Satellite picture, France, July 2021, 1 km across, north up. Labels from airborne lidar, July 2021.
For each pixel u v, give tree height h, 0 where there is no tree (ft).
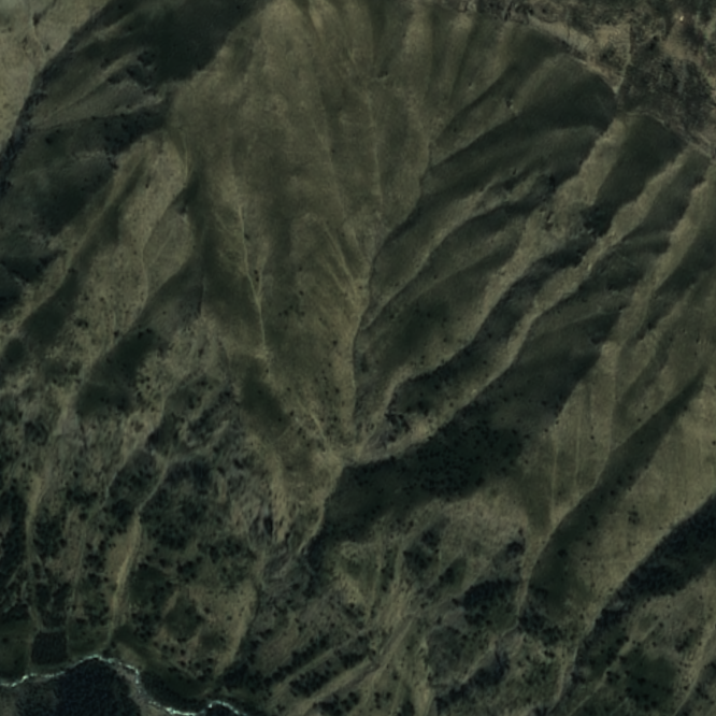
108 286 0
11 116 0
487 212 0
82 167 0
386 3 0
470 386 0
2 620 27
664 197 0
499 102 0
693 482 0
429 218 0
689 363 0
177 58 0
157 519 24
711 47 0
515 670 0
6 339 0
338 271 0
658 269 0
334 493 0
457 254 0
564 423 0
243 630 0
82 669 37
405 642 0
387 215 0
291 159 0
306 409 0
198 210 0
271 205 0
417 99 0
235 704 29
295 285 0
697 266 0
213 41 0
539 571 0
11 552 33
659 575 32
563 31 0
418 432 0
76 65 0
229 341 0
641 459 0
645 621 0
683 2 0
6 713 0
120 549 0
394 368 0
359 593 0
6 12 0
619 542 0
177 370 0
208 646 0
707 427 0
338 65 0
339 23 0
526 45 0
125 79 0
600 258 0
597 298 0
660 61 0
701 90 0
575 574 0
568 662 0
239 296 0
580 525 0
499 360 0
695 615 0
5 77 0
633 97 0
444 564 0
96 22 0
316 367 0
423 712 0
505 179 0
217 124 0
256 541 0
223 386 0
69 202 0
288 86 0
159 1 0
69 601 0
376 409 0
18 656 0
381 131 0
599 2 0
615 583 0
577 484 0
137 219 0
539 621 40
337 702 29
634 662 0
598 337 0
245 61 0
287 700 0
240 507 0
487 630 0
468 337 0
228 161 0
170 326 0
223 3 0
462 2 0
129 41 0
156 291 0
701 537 34
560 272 0
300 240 0
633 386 0
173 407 0
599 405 0
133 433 0
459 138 0
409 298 0
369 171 0
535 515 0
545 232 0
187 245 0
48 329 0
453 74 0
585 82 0
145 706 0
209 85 0
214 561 28
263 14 0
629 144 0
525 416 0
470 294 0
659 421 0
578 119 0
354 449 0
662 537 0
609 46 0
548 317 0
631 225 0
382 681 0
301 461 0
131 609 0
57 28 0
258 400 0
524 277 0
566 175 0
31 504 0
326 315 0
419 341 0
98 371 0
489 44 0
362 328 0
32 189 0
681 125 0
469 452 0
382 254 0
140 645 0
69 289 0
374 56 0
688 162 0
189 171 0
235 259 0
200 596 0
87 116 0
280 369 0
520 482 0
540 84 0
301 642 0
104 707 77
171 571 0
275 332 0
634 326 0
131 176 0
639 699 47
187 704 29
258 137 0
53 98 0
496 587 20
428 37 0
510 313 0
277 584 0
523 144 0
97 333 0
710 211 0
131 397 0
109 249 0
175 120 0
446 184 0
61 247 0
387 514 0
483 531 0
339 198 0
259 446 0
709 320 0
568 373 0
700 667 0
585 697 0
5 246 0
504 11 0
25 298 0
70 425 0
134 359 0
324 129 0
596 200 0
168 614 0
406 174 0
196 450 0
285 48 0
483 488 0
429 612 0
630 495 0
